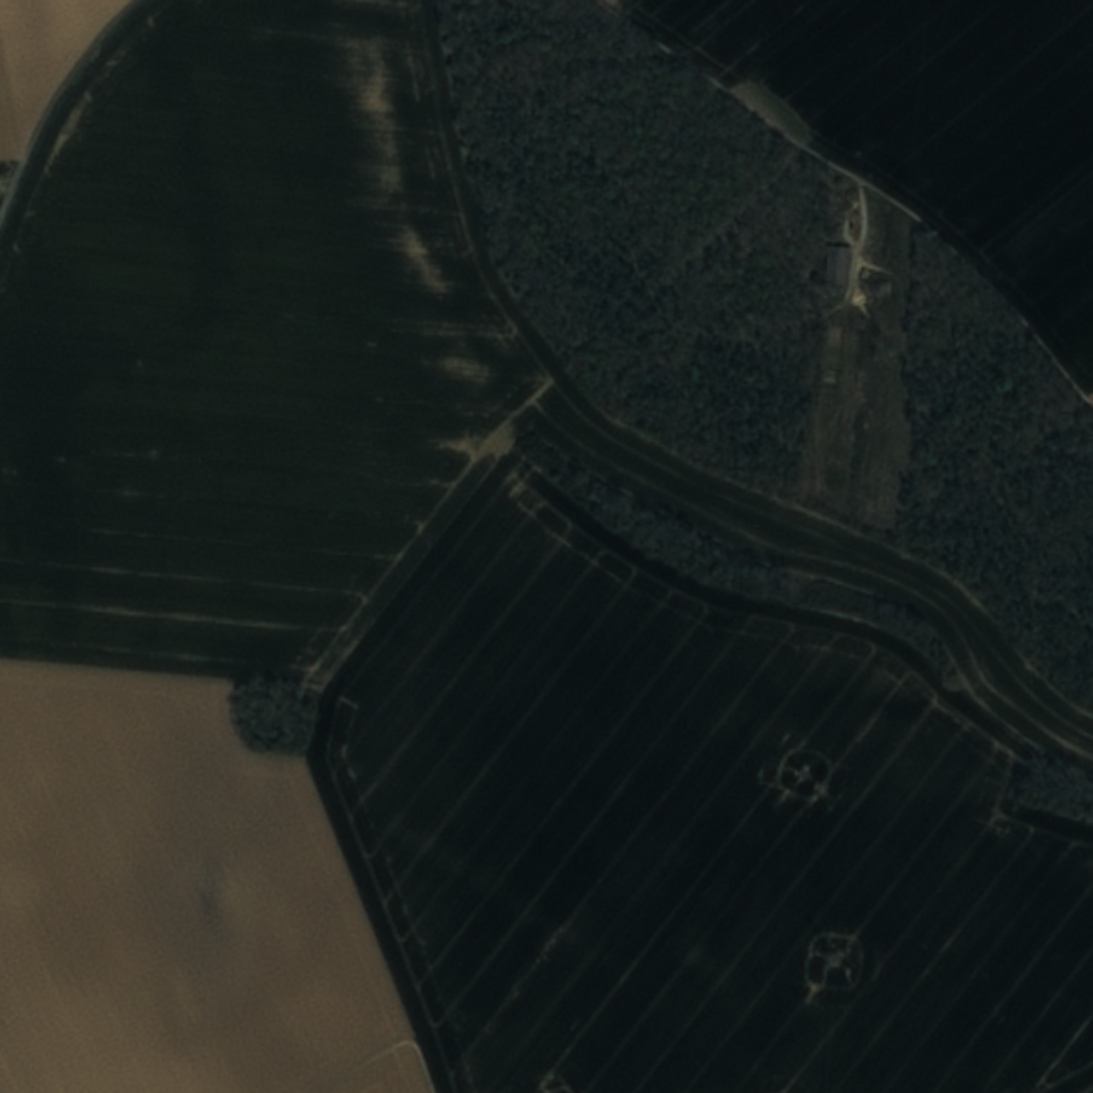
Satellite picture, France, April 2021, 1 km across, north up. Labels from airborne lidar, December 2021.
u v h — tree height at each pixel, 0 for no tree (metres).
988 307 22
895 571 0
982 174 0
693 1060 0
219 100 0
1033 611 15
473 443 0
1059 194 0
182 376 0
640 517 22
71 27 0
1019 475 6
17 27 0
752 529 0
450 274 0
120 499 0
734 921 0
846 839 0
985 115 0
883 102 0
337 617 0
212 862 0
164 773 0
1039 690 0
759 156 23
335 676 0
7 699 0
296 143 0
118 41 0
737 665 0
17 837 0
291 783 0
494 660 0
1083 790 23
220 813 0
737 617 0
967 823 0
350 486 0
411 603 0
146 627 0
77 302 0
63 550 0
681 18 0
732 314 21
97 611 0
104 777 0
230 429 0
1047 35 0
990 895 0
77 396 0
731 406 19
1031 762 19
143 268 0
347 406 0
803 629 0
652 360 18
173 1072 0
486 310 0
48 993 0
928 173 0
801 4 0
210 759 0
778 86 0
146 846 0
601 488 13
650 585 0
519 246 18
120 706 0
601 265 17
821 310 13
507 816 0
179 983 0
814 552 0
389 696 0
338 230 0
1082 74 0
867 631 0
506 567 0
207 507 0
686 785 0
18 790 0
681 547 21
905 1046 0
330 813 0
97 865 0
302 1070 0
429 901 0
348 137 0
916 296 14
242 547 0
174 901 0
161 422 0
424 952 0
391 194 0
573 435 0
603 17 20
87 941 0
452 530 0
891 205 0
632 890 0
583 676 0
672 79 19
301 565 0
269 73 0
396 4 0
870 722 0
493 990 0
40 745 0
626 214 20
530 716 0
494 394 0
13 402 0
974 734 0
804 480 20
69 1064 0
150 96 0
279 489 0
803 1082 0
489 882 0
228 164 0
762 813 0
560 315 18
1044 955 0
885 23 0
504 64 18
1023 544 15
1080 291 0
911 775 0
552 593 0
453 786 0
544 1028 0
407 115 0
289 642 0
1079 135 0
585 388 16
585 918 0
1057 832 0
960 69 0
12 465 0
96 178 0
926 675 0
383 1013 0
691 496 0
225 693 0
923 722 0
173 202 0
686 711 0
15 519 0
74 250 0
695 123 24
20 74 0
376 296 0
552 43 18
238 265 0
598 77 21
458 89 11
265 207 0
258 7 0
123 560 0
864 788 0
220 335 0
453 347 0
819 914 0
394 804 0
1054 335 0
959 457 19
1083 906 0
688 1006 0
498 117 13
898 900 0
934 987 0
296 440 0
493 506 0
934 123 0
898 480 0
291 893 0
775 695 0
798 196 25
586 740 0
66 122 0
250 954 0
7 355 0
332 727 0
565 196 18
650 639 0
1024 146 0
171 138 0
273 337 0
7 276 0
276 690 22
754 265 21
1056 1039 0
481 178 17
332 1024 0
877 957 0
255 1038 0
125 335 0
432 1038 0
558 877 0
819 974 0
